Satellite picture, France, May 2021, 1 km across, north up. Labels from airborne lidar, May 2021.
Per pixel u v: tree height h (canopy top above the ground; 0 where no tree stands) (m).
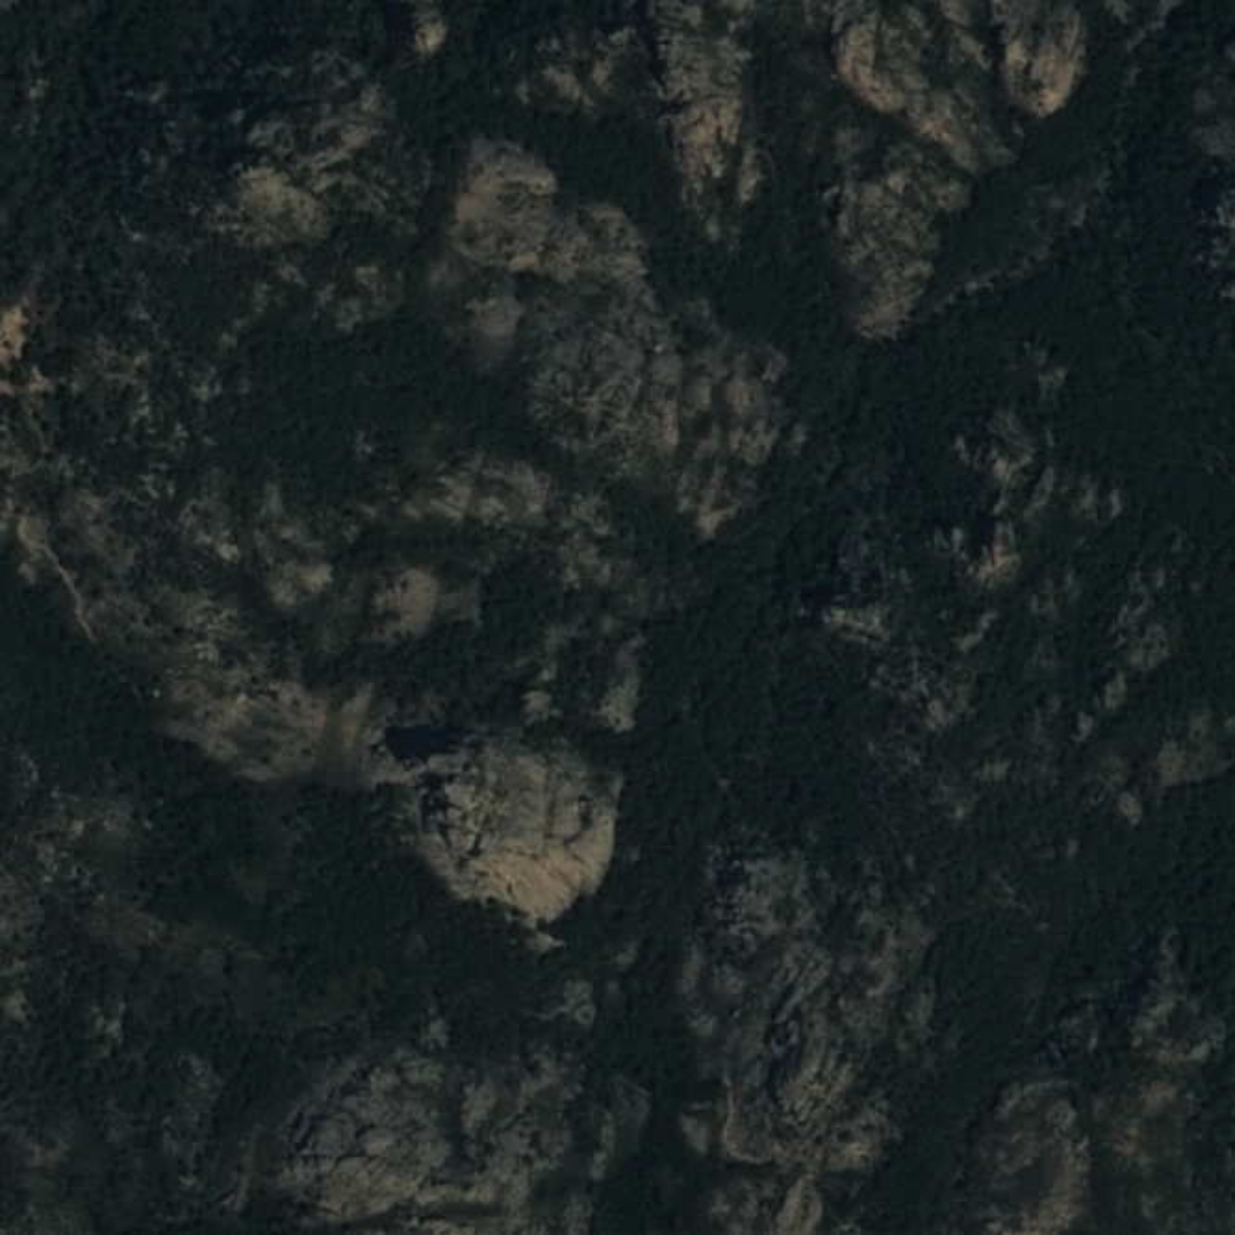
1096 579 22
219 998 15
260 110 13
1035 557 6
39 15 24
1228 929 22
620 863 20
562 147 21
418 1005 19
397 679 14
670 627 19
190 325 12
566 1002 7
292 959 14
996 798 13
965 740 12
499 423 16
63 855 0
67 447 12
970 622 9
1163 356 17
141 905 19
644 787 16
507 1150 0
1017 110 18
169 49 9
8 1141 11
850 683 18
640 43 19
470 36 19
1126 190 9
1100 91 16
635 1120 0
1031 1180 0
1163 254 19
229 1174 0
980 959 17
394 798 17
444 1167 0
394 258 14
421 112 18
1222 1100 23
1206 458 23
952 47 13
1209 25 17
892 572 10
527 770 0
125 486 7
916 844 13
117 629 0
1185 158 17
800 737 21
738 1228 0
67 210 16
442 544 11
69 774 11
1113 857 19
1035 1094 0
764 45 14
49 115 18
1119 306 22
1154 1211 0
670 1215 6
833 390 17
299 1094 0
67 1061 14
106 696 8
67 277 15
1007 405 19
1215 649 22
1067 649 23
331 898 19
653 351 14
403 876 14
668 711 22
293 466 15
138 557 8
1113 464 22
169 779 19
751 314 21
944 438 19
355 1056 13
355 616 0
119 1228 18
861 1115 9
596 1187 14
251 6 8
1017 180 20
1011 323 22
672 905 20
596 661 19
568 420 11
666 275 14
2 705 14
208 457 14
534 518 0
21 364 9
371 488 14
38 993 14
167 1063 14
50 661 21
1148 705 18
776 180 9
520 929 15
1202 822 21
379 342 13
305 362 14
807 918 0
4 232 21
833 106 6
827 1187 7
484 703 16
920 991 13
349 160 12
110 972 18
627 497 18
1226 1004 24
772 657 19
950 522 15
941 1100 17
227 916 20
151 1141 6
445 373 20
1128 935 21
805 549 23
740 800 20
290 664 8
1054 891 18
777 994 0
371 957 22
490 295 10
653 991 14
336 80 10
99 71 27
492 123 18
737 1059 0
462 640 16
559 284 7
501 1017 19
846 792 18
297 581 0
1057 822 17
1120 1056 16
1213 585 19
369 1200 0
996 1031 20
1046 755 11
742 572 14
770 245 13
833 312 21
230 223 11
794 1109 8
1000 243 20
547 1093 0
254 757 0
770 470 14
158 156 9
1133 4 15
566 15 17
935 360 19
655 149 19
